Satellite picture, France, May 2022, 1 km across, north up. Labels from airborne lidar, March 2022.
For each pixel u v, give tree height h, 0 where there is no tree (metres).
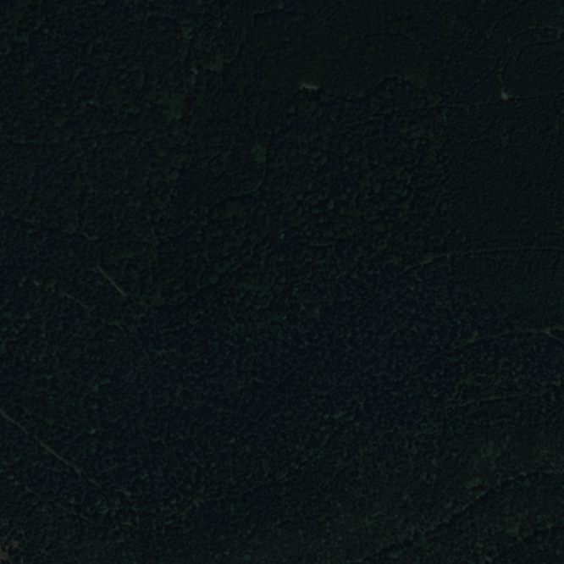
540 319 11
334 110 23
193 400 31
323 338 29
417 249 14
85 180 33
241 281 32
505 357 23
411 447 9
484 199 16
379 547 12
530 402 12
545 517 16
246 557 17
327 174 24
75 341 17
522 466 8
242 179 21
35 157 34
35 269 31
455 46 20
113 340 12
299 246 31
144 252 33
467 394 15
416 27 22
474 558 14
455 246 17
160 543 16
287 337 14
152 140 38
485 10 19
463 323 35
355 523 11
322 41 25
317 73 19
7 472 30
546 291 11
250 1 17
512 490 25
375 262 15
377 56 19
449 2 14
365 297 26
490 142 19
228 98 27
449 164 22
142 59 29
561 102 22
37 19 27
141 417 32
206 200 19
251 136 21
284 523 18
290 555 14
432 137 13
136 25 33
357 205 32
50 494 14
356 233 6
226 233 27
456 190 20
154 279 42
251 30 19
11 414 23
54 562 13
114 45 28
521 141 17
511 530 19
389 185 20
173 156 33
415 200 22
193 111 22
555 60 22
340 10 21
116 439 36
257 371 11
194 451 22
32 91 33
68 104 35
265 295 29
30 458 15
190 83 23
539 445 18
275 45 21
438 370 25
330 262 9
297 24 21
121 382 27
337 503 14
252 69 18
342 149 27
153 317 8
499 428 12
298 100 28
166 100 35
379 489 12
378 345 33
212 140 26
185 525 15
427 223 23
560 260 19
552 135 13
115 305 24
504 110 17
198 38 34
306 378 26
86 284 29
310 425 11
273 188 27
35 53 24
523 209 17
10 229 28
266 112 21
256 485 10
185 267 26
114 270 37
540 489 14
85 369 16
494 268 16
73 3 33
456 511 11
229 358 32
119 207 27
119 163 23
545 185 12
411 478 14
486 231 17
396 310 18
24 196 32
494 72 20
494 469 15
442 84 26
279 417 14
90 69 40
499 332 31
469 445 18
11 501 11
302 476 8
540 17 20
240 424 31
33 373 33
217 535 15
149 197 32
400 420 13
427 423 14
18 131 33
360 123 18
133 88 34
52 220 31
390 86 14
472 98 24
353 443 9
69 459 33
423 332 14
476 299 10
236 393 9
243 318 10
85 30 30
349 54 20
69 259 30
